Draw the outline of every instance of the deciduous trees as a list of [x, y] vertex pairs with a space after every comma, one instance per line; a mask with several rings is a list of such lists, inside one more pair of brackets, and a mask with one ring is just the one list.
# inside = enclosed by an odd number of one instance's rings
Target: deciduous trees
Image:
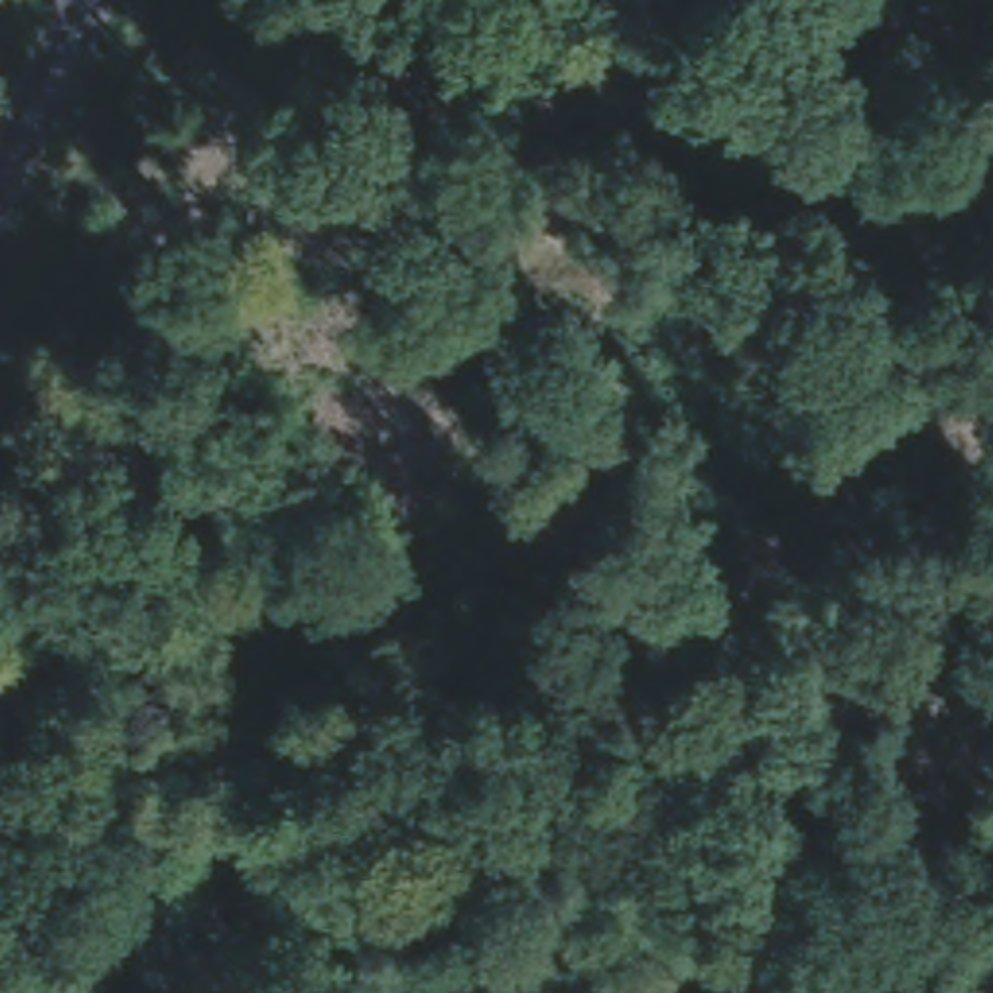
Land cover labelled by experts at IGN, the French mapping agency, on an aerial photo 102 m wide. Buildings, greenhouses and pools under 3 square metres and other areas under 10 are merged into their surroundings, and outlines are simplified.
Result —
[[993, 993], [993, 0], [225, 0], [229, 23], [240, 27], [217, 54], [217, 78], [209, 81], [206, 97], [175, 105], [175, 132], [147, 136], [144, 163], [136, 175], [112, 175], [105, 167], [93, 175], [93, 194], [101, 206], [85, 213], [93, 240], [62, 237], [47, 256], [35, 260], [35, 268], [19, 283], [8, 287], [0, 303], [0, 993]]

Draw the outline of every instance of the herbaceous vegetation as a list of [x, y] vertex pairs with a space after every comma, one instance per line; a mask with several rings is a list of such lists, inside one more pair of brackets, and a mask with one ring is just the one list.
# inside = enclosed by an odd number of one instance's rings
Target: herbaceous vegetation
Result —
[[132, 54], [112, 62], [109, 70], [116, 89], [112, 116], [120, 120], [120, 147], [105, 167], [112, 175], [136, 175], [144, 163], [147, 136], [175, 132], [175, 105], [206, 97], [209, 81], [217, 78], [217, 54], [240, 27], [229, 23], [225, 0], [140, 0], [140, 12], [147, 19], [132, 35]]

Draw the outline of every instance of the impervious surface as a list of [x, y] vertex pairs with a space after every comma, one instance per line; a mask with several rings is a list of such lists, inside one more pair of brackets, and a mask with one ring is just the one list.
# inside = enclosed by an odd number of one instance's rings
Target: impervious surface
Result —
[[109, 70], [112, 62], [132, 54], [132, 35], [147, 19], [140, 12], [140, 0], [0, 0], [0, 303], [8, 287], [19, 283], [35, 268], [35, 260], [47, 256], [62, 237], [93, 240], [85, 213], [101, 206], [93, 194], [93, 175], [105, 167], [120, 147], [120, 120], [112, 116], [116, 89]]

